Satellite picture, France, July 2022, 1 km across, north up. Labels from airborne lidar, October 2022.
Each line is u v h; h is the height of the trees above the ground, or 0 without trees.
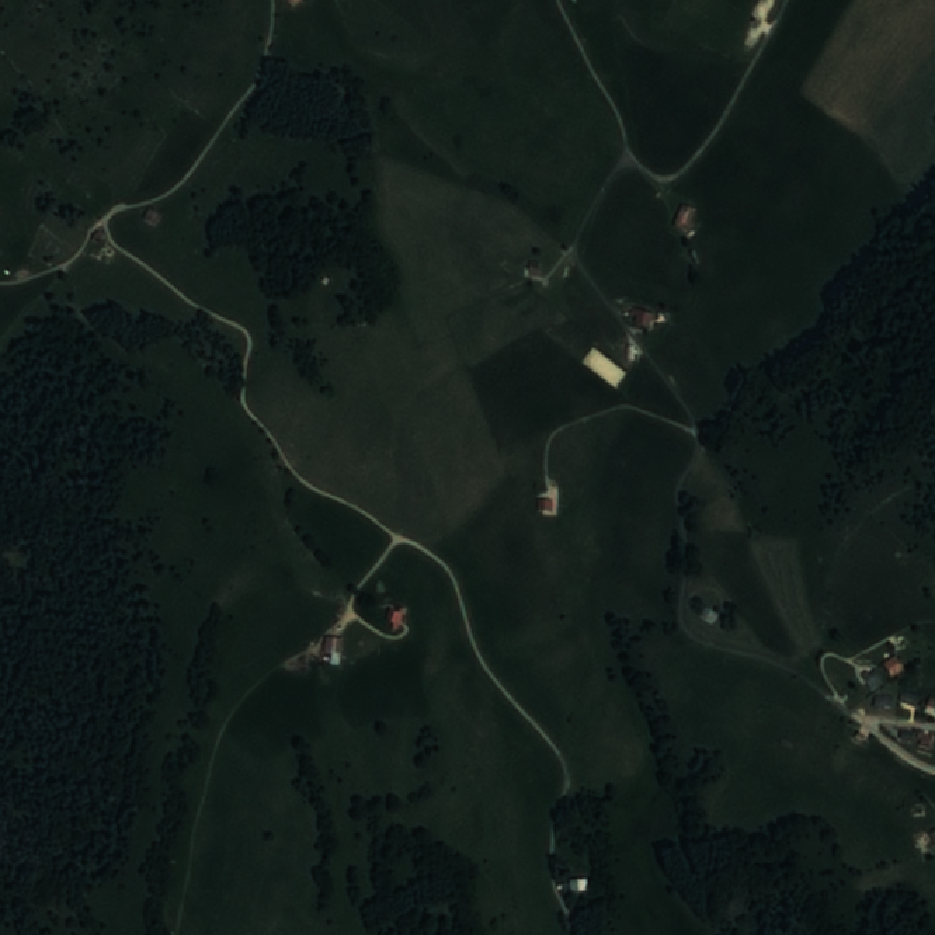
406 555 0
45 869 20
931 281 21
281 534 0
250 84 0
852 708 0
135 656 20
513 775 0
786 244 0
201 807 0
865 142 0
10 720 9
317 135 20
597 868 11
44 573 10
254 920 0
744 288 0
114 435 13
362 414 0
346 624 0
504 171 0
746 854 23
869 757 0
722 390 0
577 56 0
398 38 7
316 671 0
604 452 0
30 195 0
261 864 0
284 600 0
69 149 16
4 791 19
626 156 0
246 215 21
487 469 0
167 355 0
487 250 0
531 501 0
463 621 0
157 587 0
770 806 0
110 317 22
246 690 0
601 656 0
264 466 0
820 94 0
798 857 16
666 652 0
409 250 0
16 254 0
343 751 0
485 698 0
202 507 0
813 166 0
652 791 0
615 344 0
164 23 0
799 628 0
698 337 0
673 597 13
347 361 0
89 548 13
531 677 0
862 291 23
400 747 0
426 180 0
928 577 0
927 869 0
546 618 0
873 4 0
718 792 0
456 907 13
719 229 0
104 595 17
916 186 0
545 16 0
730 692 0
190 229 0
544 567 0
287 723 0
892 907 21
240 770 0
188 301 0
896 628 0
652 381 0
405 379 0
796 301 0
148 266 0
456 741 0
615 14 0
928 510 7
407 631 0
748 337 0
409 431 0
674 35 0
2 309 0
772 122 0
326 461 0
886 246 8
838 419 14
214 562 0
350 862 0
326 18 0
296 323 13
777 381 18
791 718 0
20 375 15
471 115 0
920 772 0
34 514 24
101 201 0
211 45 0
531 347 0
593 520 0
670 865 22
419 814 0
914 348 21
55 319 10
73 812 19
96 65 0
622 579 0
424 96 0
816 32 0
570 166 0
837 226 0
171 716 0
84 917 12
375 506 0
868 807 0
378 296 16
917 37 0
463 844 0
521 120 0
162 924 19
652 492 0
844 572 0
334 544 0
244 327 0
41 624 22
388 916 18
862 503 0
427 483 0
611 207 0
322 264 14
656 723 16
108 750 18
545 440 0
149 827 0
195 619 0
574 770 0
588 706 0
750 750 0
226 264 0
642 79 0
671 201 0
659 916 0
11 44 0
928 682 0
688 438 0
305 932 0
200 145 0
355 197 0
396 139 0
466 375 0
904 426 16
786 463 0
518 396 0
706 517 0
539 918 0
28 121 14
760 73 0
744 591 0
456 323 0
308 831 0
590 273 0
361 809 14
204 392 0
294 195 20
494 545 0
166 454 21
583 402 0
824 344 23
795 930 26
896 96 0
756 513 0
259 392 0
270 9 0
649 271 0
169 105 0
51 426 14
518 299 0
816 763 0
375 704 0
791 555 0
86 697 23
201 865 0
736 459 0
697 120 0
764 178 0
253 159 0
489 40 0
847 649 0
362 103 20
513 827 0
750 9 0
